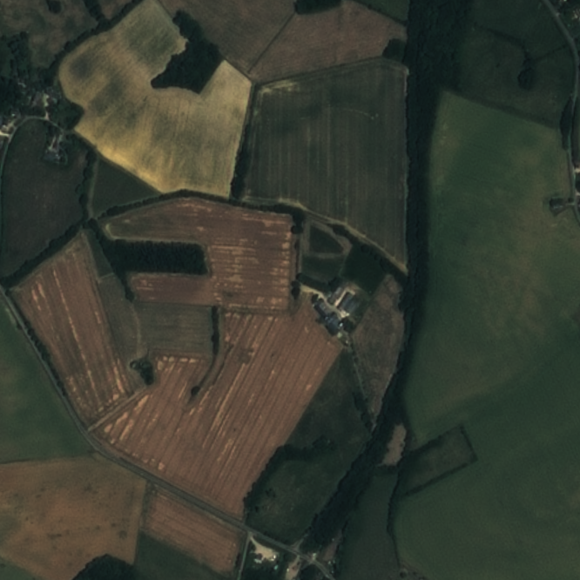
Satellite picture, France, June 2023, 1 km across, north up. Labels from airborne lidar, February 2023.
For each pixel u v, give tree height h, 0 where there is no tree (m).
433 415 0
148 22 0
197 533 0
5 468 0
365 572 0
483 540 0
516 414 0
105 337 0
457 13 16
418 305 11
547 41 0
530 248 0
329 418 0
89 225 10
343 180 0
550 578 0
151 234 0
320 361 0
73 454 0
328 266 0
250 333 0
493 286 0
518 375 0
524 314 0
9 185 0
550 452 0
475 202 0
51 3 19
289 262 0
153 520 0
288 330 0
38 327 0
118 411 0
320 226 0
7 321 0
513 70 0
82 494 0
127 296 8
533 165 0
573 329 0
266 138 0
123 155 0
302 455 12
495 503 0
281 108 0
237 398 0
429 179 0
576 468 0
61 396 0
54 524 0
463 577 0
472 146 0
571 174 0
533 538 0
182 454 0
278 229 0
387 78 0
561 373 0
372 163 0
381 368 0
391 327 0
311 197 0
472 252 0
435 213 0
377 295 0
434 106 20
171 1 0
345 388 0
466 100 0
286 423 0
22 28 0
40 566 0
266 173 0
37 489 0
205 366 0
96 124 0
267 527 0
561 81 0
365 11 0
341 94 0
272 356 0
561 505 0
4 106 10
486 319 0
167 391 0
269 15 0
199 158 0
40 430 0
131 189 0
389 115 0
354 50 0
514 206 0
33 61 0
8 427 0
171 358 0
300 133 0
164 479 0
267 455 0
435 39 21
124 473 0
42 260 11
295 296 12
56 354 0
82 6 0
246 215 0
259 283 0
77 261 0
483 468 0
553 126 0
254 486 10
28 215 0
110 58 0
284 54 0
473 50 0
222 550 0
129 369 0
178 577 0
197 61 20
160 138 0
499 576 0
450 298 0
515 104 0
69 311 0
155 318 0
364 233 0
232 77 0
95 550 0
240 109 0
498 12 0
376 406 0
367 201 0
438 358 0
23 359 0
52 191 0
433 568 0
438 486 0
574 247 0
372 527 0
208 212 0
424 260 15
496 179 0
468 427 0
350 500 19
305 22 0
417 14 20
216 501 0
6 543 0
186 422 0
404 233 0
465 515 0
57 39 0
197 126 0
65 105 9
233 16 0
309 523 0
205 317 0
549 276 0
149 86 0
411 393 0
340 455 0
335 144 0
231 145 0
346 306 0
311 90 0
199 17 0
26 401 0
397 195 0
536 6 0
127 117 0
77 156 0
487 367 0
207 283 0
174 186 0
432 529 0
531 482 0
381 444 16
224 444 0
